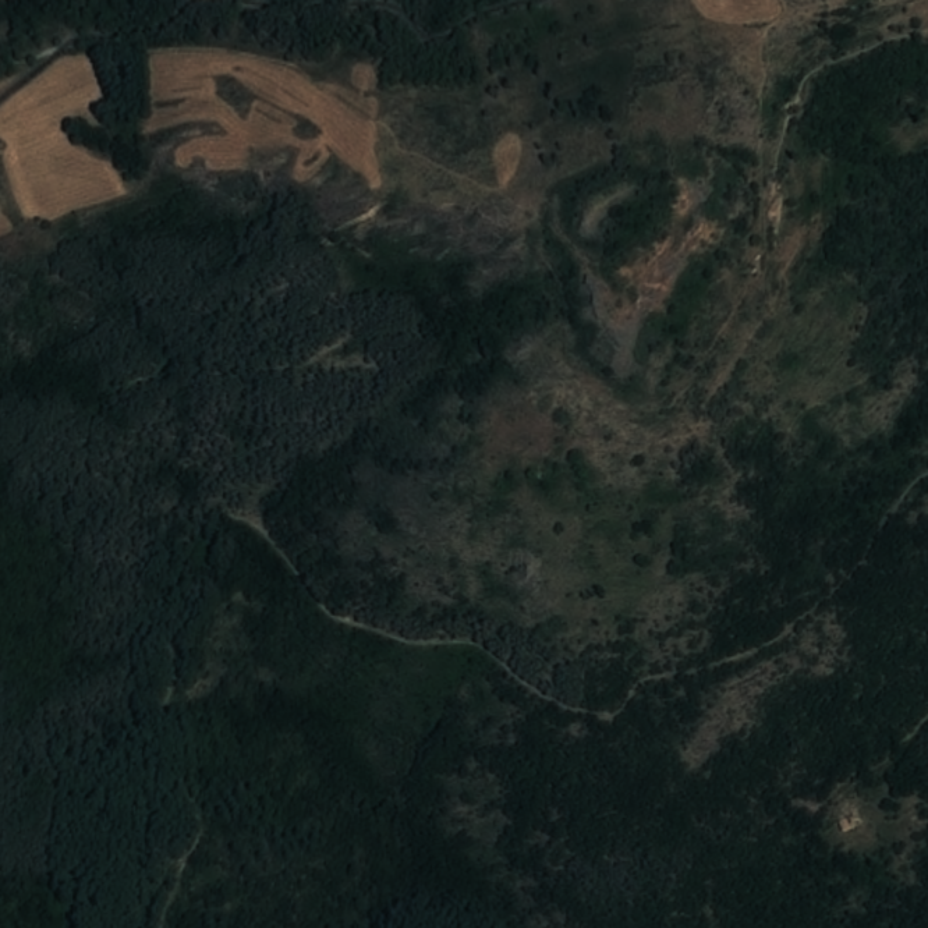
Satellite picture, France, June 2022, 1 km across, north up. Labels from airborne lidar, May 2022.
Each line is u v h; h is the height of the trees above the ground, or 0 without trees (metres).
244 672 8
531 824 13
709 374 11
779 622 13
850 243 7
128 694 25
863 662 9
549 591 0
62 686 23
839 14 7
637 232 7
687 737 10
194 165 0
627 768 9
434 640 23
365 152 0
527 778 19
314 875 9
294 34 21
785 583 8
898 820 8
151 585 35
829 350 0
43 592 12
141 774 31
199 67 0
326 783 13
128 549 16
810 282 8
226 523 19
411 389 7
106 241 9
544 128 0
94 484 18
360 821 13
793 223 0
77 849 39
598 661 6
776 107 8
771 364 7
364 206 0
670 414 7
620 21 0
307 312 24
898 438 8
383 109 0
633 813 14
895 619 14
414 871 13
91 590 17
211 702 11
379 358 23
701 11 0
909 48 12
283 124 0
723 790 15
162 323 38
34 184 0
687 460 12
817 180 0
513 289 7
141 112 25
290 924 11
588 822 11
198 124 0
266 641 6
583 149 0
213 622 6
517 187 0
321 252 16
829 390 0
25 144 0
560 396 0
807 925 14
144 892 26
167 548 19
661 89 0
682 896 13
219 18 19
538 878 9
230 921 7
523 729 11
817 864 19
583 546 0
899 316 12
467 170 0
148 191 0
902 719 13
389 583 11
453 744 15
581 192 11
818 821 12
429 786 14
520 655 22
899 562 12
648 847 11
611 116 12
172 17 11
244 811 13
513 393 0
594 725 11
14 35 13
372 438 13
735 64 0
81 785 31
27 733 25
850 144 16
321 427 14
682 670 13
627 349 0
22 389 16
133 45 12
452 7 14
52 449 14
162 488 20
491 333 7
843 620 12
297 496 18
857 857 9
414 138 0
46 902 14
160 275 18
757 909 15
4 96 0
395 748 7
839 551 10
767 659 11
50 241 0
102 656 24
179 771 36
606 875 16
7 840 27
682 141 0
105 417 26
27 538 16
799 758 10
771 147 0
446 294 6
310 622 8
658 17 0
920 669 8
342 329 14
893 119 10
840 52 7
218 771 18
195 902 13
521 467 0
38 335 9
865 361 9
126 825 34
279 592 6
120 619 24
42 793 22
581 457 10
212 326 24
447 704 14
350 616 20
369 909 9
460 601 9
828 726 14
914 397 9
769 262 0
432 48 15
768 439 7
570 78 0
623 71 0
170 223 10
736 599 14
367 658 7
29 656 20
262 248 27
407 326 29
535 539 0
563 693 18
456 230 0
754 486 12
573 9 0
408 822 13
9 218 0
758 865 14
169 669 24
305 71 0
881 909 12
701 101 0
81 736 19
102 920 36
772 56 0
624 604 0
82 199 0
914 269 11
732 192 7
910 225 12
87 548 21
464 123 0
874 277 8
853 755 13
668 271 0
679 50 0
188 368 32
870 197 13
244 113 0
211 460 16
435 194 0
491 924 34
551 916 8
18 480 26
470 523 7
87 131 15
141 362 24
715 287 0
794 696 9
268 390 23
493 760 8
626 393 0
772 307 0
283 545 11
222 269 23
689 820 12
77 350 27
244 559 20
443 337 18
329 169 0
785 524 13
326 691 8
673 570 16
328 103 0
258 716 10
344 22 26
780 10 0
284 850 22
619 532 0
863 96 13
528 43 9
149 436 21
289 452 20
